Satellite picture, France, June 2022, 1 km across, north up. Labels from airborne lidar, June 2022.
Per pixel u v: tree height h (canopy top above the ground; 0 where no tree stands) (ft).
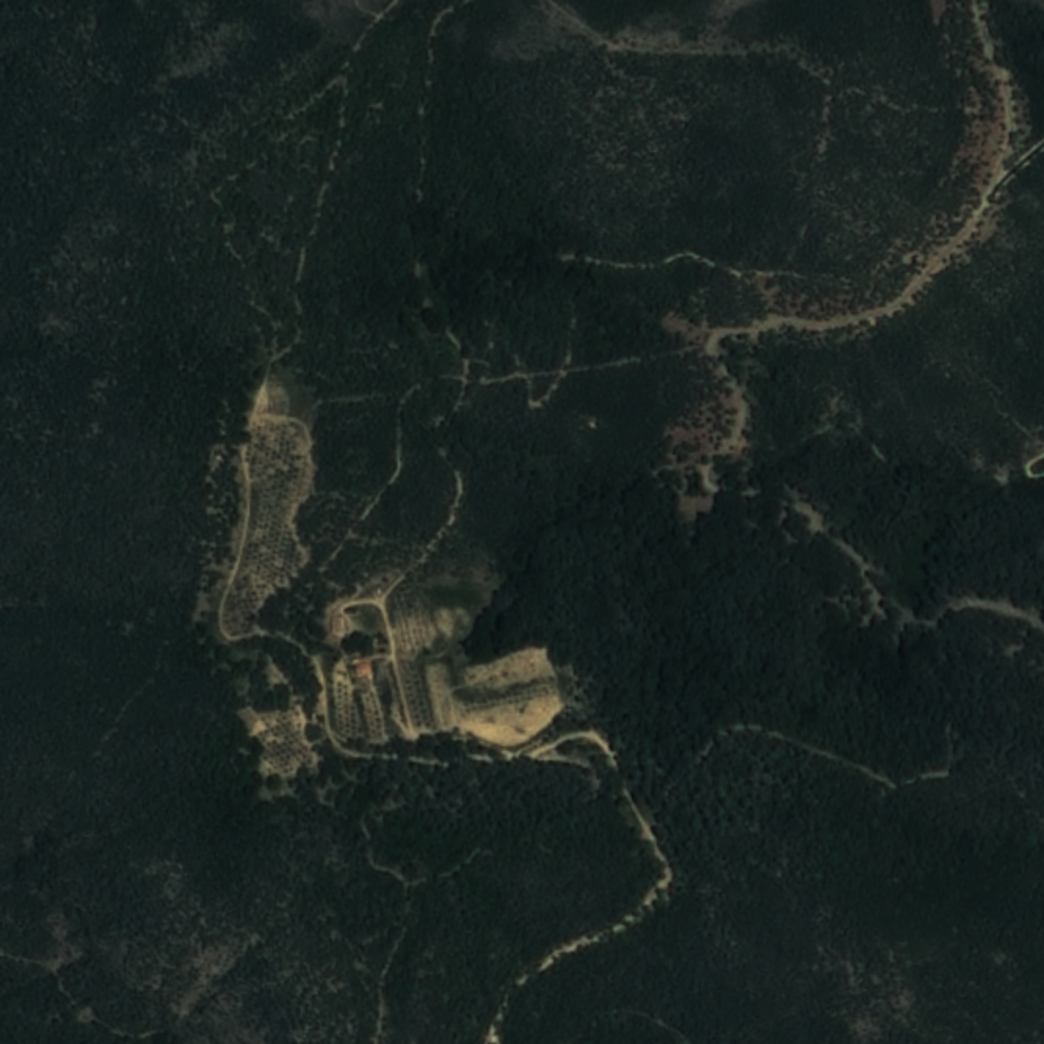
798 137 18
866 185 19
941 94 35
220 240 30
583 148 23
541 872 36
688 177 20
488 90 40
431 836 39
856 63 20
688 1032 25
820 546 49
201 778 28
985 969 23
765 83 21
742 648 35
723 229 27
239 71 26
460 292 29
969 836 35
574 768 51
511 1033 25
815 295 29
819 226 25
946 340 32
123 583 28
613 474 32
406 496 29
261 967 27
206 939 25
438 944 22
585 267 30
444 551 27
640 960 24
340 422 29
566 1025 34
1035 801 29
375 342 43
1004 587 40
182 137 24
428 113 30
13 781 26
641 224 30
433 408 31
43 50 20
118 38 19
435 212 36
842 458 19
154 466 26
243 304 22
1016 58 31
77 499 22
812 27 26
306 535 23
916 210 26
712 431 22
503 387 19
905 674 58
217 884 25
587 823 47
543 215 45
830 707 40
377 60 37
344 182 28
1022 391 18
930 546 54
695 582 20
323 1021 21
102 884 27
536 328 31
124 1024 31
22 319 23
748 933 20
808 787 47
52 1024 31
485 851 31
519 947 29
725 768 19
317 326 25
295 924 20
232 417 41
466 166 31
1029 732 39
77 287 21
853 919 25
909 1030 20
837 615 45
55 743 20
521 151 27
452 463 31
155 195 19
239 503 26
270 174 24
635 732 33
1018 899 26
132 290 27
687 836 26
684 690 36
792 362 27
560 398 31
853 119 22
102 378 26
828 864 26
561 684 0
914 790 28
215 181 23
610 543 36
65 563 28
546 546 44
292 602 39
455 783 46
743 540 46
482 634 42
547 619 35
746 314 30
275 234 35
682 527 30
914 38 33
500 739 0
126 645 21
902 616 44
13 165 21
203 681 22
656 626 34
